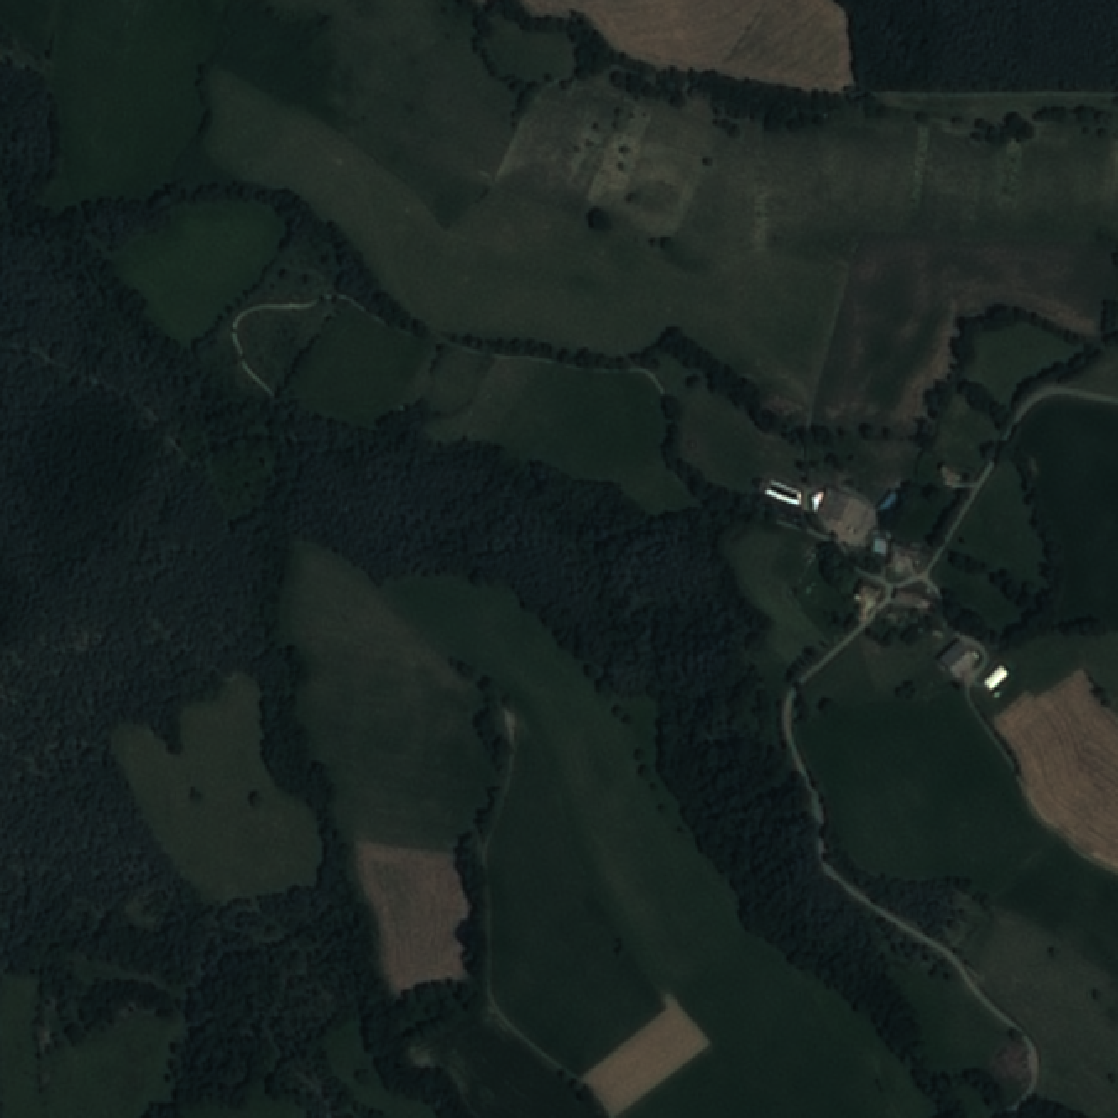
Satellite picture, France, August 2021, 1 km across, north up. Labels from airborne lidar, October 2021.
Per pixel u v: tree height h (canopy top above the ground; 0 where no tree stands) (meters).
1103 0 20
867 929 14
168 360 20
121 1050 0
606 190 0
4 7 0
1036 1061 0
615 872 0
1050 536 17
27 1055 0
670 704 18
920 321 0
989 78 16
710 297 0
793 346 0
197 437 9
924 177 0
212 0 0
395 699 0
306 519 18
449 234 0
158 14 0
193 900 10
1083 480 0
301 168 0
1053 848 0
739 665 13
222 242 0
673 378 0
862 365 0
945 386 17
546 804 0
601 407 0
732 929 0
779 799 21
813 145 0
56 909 15
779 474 0
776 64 0
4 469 17
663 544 15
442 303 0
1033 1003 0
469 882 18
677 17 0
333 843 15
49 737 10
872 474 0
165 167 0
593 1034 0
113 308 15
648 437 0
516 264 0
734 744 10
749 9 0
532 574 13
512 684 0
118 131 0
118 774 14
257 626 15
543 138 0
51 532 17
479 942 26
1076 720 0
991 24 19
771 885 16
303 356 11
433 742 0
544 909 0
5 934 13
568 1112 0
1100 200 0
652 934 0
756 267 0
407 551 13
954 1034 0
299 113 0
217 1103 12
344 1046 0
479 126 0
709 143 0
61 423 21
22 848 8
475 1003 16
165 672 14
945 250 0
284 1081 7
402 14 0
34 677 11
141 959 14
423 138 0
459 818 0
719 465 0
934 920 13
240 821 0
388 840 0
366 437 10
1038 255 0
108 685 14
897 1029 28
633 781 0
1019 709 0
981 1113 0
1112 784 0
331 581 0
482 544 13
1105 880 0
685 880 0
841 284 0
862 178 0
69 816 12
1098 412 0
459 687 0
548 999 0
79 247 8
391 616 0
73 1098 0
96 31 0
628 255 0
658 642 21
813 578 0
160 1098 0
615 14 0
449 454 11
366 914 15
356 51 0
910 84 14
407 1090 19
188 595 12
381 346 0
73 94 0
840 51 0
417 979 0
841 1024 0
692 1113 0
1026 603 18
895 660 0
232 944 15
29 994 0
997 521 0
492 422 0
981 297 0
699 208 0
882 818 0
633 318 0
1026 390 14
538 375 0
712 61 0
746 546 0
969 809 0
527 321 0
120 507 17
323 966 6
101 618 8
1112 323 10
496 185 0
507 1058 0
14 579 14
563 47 0
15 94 17
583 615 19
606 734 0
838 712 10
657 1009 0
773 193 0
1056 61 19
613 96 0
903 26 19
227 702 0
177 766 0
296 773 22
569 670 0
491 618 0
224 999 21
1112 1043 0
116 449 20
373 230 0
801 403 0
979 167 0
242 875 0
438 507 12
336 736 0
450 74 0
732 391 20
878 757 0
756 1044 0
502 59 0
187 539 15
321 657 0
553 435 0
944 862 0
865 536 0
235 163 0
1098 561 0
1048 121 11
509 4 16
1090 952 0
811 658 16
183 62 0
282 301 0
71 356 18
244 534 18
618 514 22
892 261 0
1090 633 15
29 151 15
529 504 15
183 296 0
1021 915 0
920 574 0
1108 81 15
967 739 0
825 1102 0
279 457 9
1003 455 12
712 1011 0
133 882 15
